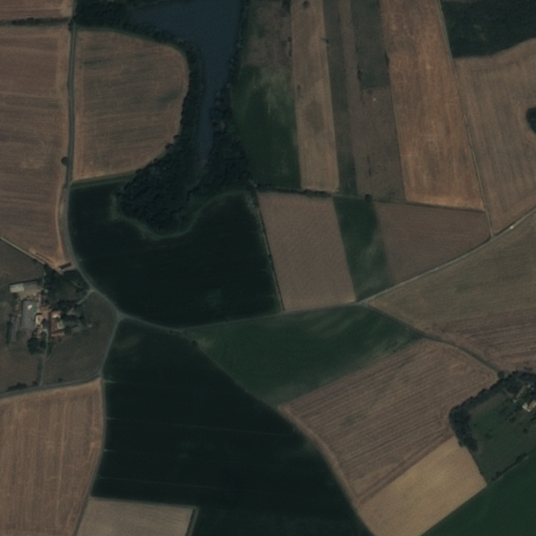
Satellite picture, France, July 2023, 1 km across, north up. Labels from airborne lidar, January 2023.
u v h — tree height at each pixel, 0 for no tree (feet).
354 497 0
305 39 0
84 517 0
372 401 0
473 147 0
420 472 0
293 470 0
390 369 0
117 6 40
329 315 0
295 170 0
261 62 0
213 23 0
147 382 0
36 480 0
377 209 0
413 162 0
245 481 0
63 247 0
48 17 0
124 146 0
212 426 0
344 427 0
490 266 0
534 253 0
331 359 0
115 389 0
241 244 0
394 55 0
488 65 0
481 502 0
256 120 0
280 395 0
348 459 0
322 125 0
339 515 0
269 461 0
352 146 0
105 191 0
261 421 0
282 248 0
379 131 0
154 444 0
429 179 0
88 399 0
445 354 0
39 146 0
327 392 0
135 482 0
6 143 0
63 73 0
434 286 0
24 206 0
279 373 0
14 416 0
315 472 0
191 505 0
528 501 0
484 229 0
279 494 0
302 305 0
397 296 0
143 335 0
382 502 0
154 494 0
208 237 0
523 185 0
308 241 0
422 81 0
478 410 0
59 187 0
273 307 0
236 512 0
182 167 45
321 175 0
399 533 0
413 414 0
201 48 0
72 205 0
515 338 0
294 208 0
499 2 30
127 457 0
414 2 0
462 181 0
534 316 0
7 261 0
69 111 0
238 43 30
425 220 0
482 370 0
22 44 0
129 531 0
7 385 0
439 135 0
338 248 0
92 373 0
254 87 0
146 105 0
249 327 0
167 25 0
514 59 0
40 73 0
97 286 0
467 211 0
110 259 0
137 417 0
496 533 0
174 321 0
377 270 0
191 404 0
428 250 0
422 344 0
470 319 0
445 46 0
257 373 0
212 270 0
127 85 0
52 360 0
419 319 0
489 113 0
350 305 0
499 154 0
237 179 76
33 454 0
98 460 0
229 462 0
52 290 43
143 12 0
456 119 0
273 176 0
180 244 0
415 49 0
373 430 0
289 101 0
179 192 63
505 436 0
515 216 0
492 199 0
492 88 0
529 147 0
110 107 0
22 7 0
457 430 65
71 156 0
